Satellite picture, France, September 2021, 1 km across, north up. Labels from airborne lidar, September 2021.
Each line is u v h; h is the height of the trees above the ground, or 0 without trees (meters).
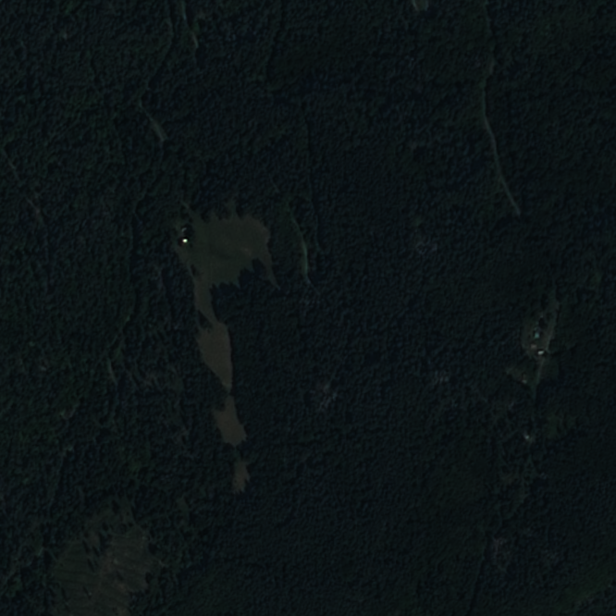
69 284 14
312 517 29
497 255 25
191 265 0
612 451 24
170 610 17
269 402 20
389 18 27
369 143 28
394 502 32
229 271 0
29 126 18
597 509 31
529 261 25
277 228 20
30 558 24
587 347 16
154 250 21
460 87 19
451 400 26
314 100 29
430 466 18
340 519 30
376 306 24
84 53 28
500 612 18
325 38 35
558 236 31
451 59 26
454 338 25
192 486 14
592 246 27
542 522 21
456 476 21
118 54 27
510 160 14
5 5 10
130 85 20
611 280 18
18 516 29
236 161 24
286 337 28
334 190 22
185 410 19
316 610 27
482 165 23
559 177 25
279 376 22
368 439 27
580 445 23
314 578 31
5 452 8
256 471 22
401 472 32
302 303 26
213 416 12
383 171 21
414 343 30
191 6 25
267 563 27
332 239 34
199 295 0
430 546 23
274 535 29
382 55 29
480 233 29
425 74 26
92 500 11
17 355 25
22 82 6
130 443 19
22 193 24
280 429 28
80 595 0
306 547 22
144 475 13
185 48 16
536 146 29
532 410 19
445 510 19
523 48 25
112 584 0
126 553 0
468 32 31
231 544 34
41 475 14
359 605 20
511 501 18
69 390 18
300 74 24
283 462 24
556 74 27
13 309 11
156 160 26
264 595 33
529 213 26
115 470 20
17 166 25
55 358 16
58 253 28
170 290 28
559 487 29
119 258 15
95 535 0
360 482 25
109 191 6
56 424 26
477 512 25
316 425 26
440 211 31
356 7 26
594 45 22
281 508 25
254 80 23
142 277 27
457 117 31
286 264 20
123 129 25
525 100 27
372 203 26
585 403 21
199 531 21
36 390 13
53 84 26
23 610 24
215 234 0
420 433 20
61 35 29
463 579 23
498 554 32
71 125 22
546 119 25
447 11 33
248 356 19
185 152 23
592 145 32
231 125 22
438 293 24
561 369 15
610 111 28
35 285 12
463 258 28
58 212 21
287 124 27
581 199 25
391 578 35
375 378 22
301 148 23
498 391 25
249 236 0
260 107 27
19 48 26
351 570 32
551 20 25
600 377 22
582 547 27
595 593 16
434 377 33
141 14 29
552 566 31
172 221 20
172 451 22
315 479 22
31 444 17
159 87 35
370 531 31
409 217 31
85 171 22
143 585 0
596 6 27
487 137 11
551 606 18
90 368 30
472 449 26
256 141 27
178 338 18
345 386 32
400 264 36
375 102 29
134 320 14
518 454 23
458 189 24
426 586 13
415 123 27
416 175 23
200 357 16
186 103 25
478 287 24
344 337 28
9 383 7
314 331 32
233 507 24
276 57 34
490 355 30
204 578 21
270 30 23
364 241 26
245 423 19
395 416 27
